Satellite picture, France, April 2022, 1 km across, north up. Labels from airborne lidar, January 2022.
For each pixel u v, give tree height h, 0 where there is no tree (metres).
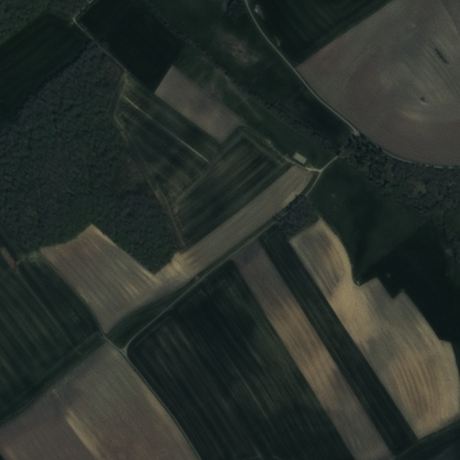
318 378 0
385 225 0
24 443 0
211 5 0
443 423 0
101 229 18
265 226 0
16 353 0
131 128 0
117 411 0
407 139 0
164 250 26
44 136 28
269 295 0
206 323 0
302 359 0
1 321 0
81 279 0
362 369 0
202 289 0
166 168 0
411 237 0
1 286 0
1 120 0
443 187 13
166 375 0
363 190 0
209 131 0
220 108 0
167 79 0
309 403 0
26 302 0
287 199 0
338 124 0
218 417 0
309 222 27
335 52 0
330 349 0
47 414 0
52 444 0
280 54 0
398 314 0
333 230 0
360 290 0
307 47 0
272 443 0
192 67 0
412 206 6
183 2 0
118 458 0
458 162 0
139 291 0
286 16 0
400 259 0
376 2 0
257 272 0
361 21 0
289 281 0
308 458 0
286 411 0
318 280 0
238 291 0
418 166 12
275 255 0
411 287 0
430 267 0
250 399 0
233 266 0
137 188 0
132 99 0
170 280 0
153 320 0
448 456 0
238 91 0
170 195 0
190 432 0
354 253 0
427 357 0
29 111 20
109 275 0
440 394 0
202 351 0
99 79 23
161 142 0
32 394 0
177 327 0
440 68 0
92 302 0
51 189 28
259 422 0
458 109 0
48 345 0
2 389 0
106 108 23
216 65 13
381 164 9
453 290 0
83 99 26
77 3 22
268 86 0
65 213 28
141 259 21
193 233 0
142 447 0
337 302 0
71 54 0
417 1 0
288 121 17
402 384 0
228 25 0
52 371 0
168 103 0
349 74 0
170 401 0
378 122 0
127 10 0
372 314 0
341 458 0
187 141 0
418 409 0
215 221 0
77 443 0
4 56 0
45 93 23
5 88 0
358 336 0
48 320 0
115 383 0
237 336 0
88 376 0
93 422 0
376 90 0
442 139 0
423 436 0
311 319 0
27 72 0
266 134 0
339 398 0
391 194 12
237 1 14
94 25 0
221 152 0
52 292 0
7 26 25
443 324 0
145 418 0
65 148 24
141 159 0
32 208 26
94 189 28
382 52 0
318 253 0
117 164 26
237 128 0
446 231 11
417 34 0
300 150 0
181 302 0
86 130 24
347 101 0
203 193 0
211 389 0
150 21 0
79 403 0
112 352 0
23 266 0
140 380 0
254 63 0
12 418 0
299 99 0
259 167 0
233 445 0
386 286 0
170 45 0
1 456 0
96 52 22
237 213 0
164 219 21
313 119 0
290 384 0
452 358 0
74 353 0
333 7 0
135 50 0
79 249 0
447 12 0
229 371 0
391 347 0
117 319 0
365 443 0
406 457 0
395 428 0
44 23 0
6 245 0
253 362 0
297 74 0
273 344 0
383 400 0
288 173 0
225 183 0
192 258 0
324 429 0
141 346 0
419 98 0
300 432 0
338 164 0
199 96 0
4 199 23
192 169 0
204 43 0
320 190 0
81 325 0
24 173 27
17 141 27
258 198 0
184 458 0
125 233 25
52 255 0
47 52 0
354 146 24
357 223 0
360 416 0
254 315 0
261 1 0
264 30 0
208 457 0
